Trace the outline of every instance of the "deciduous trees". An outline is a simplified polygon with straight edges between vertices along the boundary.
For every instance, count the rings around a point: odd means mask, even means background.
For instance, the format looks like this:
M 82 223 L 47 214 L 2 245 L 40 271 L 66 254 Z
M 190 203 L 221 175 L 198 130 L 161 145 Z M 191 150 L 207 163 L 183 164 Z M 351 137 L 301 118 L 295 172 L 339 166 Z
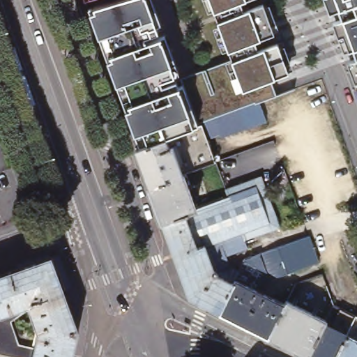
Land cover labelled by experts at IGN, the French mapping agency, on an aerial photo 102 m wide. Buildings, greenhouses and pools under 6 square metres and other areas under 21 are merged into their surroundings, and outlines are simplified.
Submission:
M 105 146 L 107 138 L 112 138 L 113 144 L 110 149 L 116 159 L 124 160 L 127 156 L 134 155 L 130 131 L 121 110 L 119 96 L 114 91 L 112 79 L 107 73 L 103 59 L 102 47 L 96 42 L 91 26 L 84 21 L 66 24 L 63 14 L 57 8 L 57 4 L 63 0 L 35 0 L 54 43 L 59 50 L 67 50 L 64 67 L 73 85 L 74 98 L 77 100 L 89 145 L 98 151 Z
M 346 236 L 357 250 L 357 213 L 350 212 L 350 218 L 346 222 Z
M 45 139 L 40 134 L 38 121 L 33 117 L 31 107 L 35 102 L 31 88 L 26 79 L 22 81 L 21 74 L 18 73 L 17 61 L 7 39 L 8 33 L 4 31 L 0 20 L 0 148 L 8 169 L 18 174 L 18 187 L 42 180 L 46 183 L 59 183 L 60 176 Z
M 212 57 L 211 52 L 202 52 L 199 47 L 205 42 L 201 33 L 192 32 L 187 35 L 184 36 L 183 43 L 190 50 L 195 63 L 199 66 L 208 63 Z
M 73 225 L 73 218 L 68 215 L 68 206 L 60 208 L 53 202 L 26 199 L 21 202 L 14 201 L 11 220 L 17 227 L 18 234 L 24 236 L 26 243 L 31 247 L 52 244 L 64 236 Z
M 197 14 L 192 10 L 191 0 L 173 0 L 176 3 L 178 20 L 187 24 L 198 20 Z

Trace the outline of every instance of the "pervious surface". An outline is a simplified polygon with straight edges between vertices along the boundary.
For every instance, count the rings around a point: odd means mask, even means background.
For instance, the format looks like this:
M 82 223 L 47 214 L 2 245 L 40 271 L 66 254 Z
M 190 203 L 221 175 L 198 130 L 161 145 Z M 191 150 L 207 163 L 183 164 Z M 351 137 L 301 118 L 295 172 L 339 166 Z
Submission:
M 220 146 L 209 134 L 205 121 L 201 127 L 213 155 L 220 149 L 227 152 L 259 139 L 278 138 L 279 155 L 287 158 L 289 165 L 284 172 L 280 172 L 280 176 L 287 177 L 287 184 L 290 184 L 291 188 L 296 187 L 298 206 L 303 206 L 307 211 L 304 213 L 307 220 L 294 229 L 282 230 L 279 227 L 271 233 L 248 240 L 245 243 L 247 251 L 241 252 L 245 259 L 273 250 L 280 245 L 293 243 L 300 238 L 311 238 L 312 247 L 318 245 L 321 259 L 317 264 L 301 269 L 294 276 L 304 276 L 319 268 L 326 268 L 332 293 L 339 300 L 357 304 L 357 250 L 346 236 L 346 222 L 350 218 L 350 212 L 357 213 L 357 187 L 351 174 L 335 173 L 337 169 L 346 167 L 344 156 L 349 153 L 349 149 L 333 109 L 332 96 L 329 95 L 325 78 L 318 75 L 311 79 L 296 78 L 296 88 L 283 93 L 276 92 L 258 102 L 265 117 L 265 123 L 261 124 L 262 130 L 230 135 L 226 138 L 226 145 Z

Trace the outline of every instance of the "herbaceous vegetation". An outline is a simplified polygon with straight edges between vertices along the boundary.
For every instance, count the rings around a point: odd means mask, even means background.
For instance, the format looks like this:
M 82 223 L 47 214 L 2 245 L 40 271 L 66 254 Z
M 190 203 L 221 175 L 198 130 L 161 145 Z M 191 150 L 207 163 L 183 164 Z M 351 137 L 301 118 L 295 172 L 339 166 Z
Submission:
M 205 42 L 199 47 L 202 52 L 211 52 L 212 57 L 222 54 L 213 33 L 219 22 L 216 20 L 211 24 L 201 24 L 208 15 L 202 0 L 191 0 L 192 10 L 197 14 L 198 20 L 187 24 L 187 35 L 192 32 L 201 33 Z
M 212 165 L 205 167 L 204 173 L 190 173 L 184 178 L 195 208 L 202 208 L 226 198 L 218 167 Z

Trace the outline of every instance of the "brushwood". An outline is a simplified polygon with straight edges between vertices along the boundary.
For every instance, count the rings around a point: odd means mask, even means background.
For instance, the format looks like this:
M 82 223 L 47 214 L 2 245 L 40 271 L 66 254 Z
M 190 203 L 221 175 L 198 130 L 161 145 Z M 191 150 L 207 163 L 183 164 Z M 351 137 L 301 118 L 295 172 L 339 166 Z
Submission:
M 14 321 L 15 332 L 24 339 L 33 340 L 35 331 L 32 322 L 21 321 L 18 317 Z
M 303 206 L 298 206 L 296 187 L 291 188 L 290 184 L 287 184 L 278 183 L 265 190 L 266 198 L 271 201 L 278 218 L 279 227 L 282 230 L 294 229 L 307 220 L 304 213 L 307 211 Z

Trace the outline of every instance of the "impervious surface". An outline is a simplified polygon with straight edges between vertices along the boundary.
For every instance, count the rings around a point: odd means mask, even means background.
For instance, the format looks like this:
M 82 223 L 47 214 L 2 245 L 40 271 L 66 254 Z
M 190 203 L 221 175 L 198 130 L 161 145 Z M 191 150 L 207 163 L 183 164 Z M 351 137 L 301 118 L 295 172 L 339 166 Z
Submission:
M 293 57 L 290 61 L 291 79 L 283 84 L 275 84 L 276 92 L 283 93 L 296 88 L 296 78 L 311 79 L 318 75 L 325 78 L 329 95 L 332 96 L 333 109 L 349 149 L 349 153 L 344 156 L 346 167 L 337 169 L 335 173 L 351 174 L 357 187 L 357 103 L 354 100 L 351 103 L 347 102 L 351 92 L 344 82 L 344 70 L 350 56 L 343 54 L 342 43 L 333 42 L 336 36 L 331 22 L 335 18 L 328 14 L 328 8 L 322 0 L 255 0 L 244 6 L 243 10 L 247 13 L 252 8 L 264 7 L 269 25 L 275 33 L 275 38 L 261 43 L 258 49 L 278 46 L 279 50 L 287 50 Z
M 89 10 L 98 10 L 126 0 L 63 0 L 57 4 L 57 8 L 63 14 L 66 24 L 84 21 L 91 26 Z
M 45 139 L 60 176 L 59 183 L 46 183 L 42 180 L 18 187 L 18 174 L 8 169 L 0 148 L 0 279 L 45 262 L 52 262 L 75 325 L 74 331 L 70 332 L 71 339 L 77 342 L 73 357 L 291 357 L 265 344 L 268 337 L 248 331 L 226 318 L 220 322 L 201 305 L 194 305 L 188 301 L 165 234 L 156 226 L 156 220 L 160 219 L 160 215 L 148 201 L 148 190 L 144 178 L 139 173 L 137 158 L 134 155 L 127 156 L 124 160 L 116 159 L 110 149 L 113 144 L 112 138 L 107 138 L 105 146 L 98 151 L 89 145 L 77 100 L 74 98 L 73 85 L 64 67 L 67 50 L 59 50 L 54 43 L 35 0 L 0 0 L 0 20 L 4 31 L 8 33 L 7 39 L 17 61 L 18 73 L 21 74 L 22 81 L 26 79 L 31 88 L 35 102 L 31 107 L 33 117 L 38 121 L 40 134 Z M 53 202 L 60 208 L 68 206 L 68 215 L 73 218 L 73 225 L 64 236 L 52 244 L 31 247 L 26 243 L 24 236 L 18 234 L 17 227 L 11 220 L 14 201 L 21 202 L 26 199 Z
M 158 33 L 165 36 L 162 45 L 165 47 L 167 59 L 169 63 L 176 63 L 178 77 L 174 82 L 178 86 L 184 86 L 187 81 L 184 63 L 185 56 L 190 50 L 183 43 L 184 36 L 187 35 L 187 24 L 178 20 L 176 3 L 173 0 L 146 0 L 151 14 L 158 14 Z

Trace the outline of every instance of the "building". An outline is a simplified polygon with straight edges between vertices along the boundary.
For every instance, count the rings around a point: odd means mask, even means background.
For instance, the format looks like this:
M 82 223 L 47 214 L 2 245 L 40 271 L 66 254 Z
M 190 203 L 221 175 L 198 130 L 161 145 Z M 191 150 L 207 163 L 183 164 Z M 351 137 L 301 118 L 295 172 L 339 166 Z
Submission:
M 331 22 L 336 36 L 333 42 L 342 43 L 343 54 L 350 56 L 344 70 L 344 82 L 351 92 L 347 102 L 351 103 L 354 100 L 357 103 L 357 0 L 322 0 L 328 8 L 328 14 L 335 18 Z
M 280 172 L 284 172 L 289 165 L 287 158 L 279 155 L 278 138 L 259 139 L 227 152 L 220 149 L 213 155 L 201 127 L 205 121 L 209 134 L 220 146 L 226 145 L 226 138 L 230 135 L 262 130 L 261 124 L 265 123 L 265 117 L 258 102 L 276 92 L 275 84 L 283 84 L 291 79 L 290 61 L 293 57 L 287 50 L 279 50 L 278 46 L 258 49 L 261 43 L 275 38 L 275 33 L 269 25 L 264 7 L 252 8 L 247 13 L 243 10 L 244 6 L 255 0 L 202 0 L 208 15 L 201 24 L 211 24 L 216 20 L 219 22 L 213 33 L 222 54 L 212 57 L 208 63 L 199 66 L 195 63 L 190 50 L 185 56 L 184 63 L 187 81 L 184 86 L 178 86 L 174 82 L 178 77 L 176 63 L 169 63 L 167 59 L 165 47 L 162 45 L 165 36 L 158 33 L 158 14 L 151 14 L 146 0 L 126 0 L 98 10 L 89 10 L 91 26 L 96 42 L 102 47 L 103 59 L 107 73 L 112 79 L 114 91 L 119 96 L 121 110 L 130 131 L 134 155 L 137 158 L 139 173 L 144 178 L 148 190 L 148 201 L 160 215 L 160 219 L 156 220 L 156 226 L 165 234 L 188 301 L 194 305 L 201 305 L 220 322 L 226 318 L 248 331 L 268 337 L 265 344 L 291 357 L 357 357 L 357 304 L 339 300 L 332 293 L 326 268 L 319 268 L 304 276 L 294 276 L 301 269 L 317 264 L 321 259 L 318 245 L 312 247 L 311 238 L 300 238 L 293 243 L 280 245 L 273 250 L 245 259 L 241 252 L 247 251 L 245 243 L 248 240 L 271 233 L 279 227 L 278 218 L 271 201 L 266 198 L 265 190 L 278 183 L 287 184 L 287 177 L 280 176 Z M 204 173 L 205 167 L 212 165 L 218 167 L 226 198 L 202 208 L 195 208 L 184 178 L 190 173 Z
M 32 322 L 35 331 L 33 340 L 24 339 L 15 332 L 14 321 L 18 317 L 21 321 Z M 71 339 L 70 332 L 74 331 L 75 325 L 52 262 L 45 262 L 0 279 L 0 357 L 73 357 L 77 342 Z

